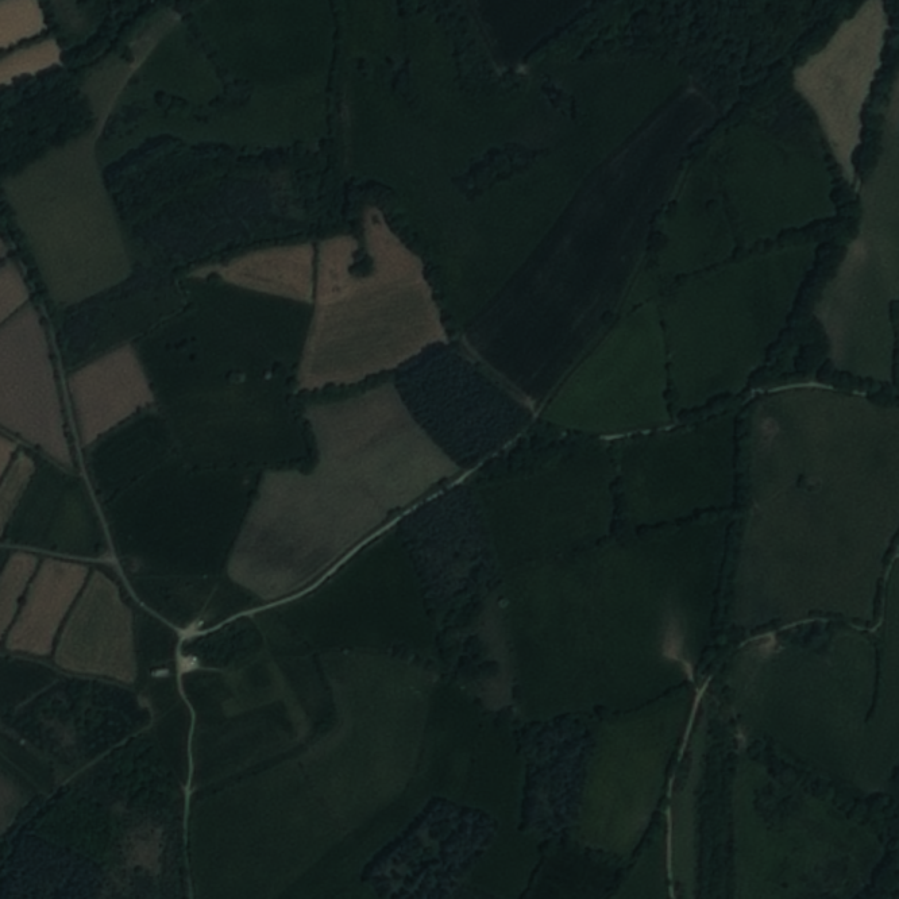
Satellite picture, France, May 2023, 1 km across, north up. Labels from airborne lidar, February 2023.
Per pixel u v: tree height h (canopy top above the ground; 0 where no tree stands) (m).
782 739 0
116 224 0
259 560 0
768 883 0
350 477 0
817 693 0
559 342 0
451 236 0
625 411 0
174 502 0
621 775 0
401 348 0
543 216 0
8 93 16
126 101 0
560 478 0
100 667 0
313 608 0
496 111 0
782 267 0
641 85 0
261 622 0
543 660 0
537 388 0
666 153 0
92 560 0
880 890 19
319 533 0
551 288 0
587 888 0
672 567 0
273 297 0
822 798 18
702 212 0
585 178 0
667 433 8
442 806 18
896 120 0
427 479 0
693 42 8
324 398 11
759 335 0
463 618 10
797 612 0
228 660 6
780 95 13
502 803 0
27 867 26
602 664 0
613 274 0
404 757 0
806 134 0
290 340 0
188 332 0
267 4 0
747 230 0
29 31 0
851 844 0
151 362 0
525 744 9
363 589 0
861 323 0
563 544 0
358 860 0
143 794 9
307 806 0
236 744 0
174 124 0
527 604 0
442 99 0
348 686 0
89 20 0
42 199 0
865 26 0
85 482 0
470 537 20
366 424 0
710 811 8
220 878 0
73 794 7
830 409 0
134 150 0
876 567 0
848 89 0
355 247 0
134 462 0
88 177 0
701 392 0
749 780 0
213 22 0
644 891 0
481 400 31
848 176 0
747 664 0
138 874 9
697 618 0
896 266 0
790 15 7
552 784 18
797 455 0
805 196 0
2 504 0
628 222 0
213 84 0
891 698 0
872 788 0
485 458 17
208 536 0
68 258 0
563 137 0
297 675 0
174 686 0
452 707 0
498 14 0
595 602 0
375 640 0
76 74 13
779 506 0
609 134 0
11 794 0
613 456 8
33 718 6
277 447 0
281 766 0
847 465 0
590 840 0
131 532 0
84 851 19
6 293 0
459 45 7
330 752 0
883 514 0
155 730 0
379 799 0
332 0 9
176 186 22
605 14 11
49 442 0
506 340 0
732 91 15
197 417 0
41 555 0
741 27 8
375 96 0
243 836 0
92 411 0
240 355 0
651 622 0
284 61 0
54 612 0
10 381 0
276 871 0
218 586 0
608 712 11
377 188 16
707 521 16
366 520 0
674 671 0
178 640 0
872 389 16
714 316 0
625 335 0
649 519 0
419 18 8
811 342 16
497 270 0
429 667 8
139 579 0
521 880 0
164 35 0
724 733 6
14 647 0
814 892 0
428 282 13
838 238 21
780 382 10
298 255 0
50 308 7
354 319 0
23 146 21
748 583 0
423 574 15
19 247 11
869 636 8
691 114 0
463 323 0
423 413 24
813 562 0
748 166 0
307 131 0
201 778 0
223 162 21
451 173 0
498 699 0
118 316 0
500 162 19
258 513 0
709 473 0
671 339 0
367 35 0
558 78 0
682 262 0
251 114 0
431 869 15
